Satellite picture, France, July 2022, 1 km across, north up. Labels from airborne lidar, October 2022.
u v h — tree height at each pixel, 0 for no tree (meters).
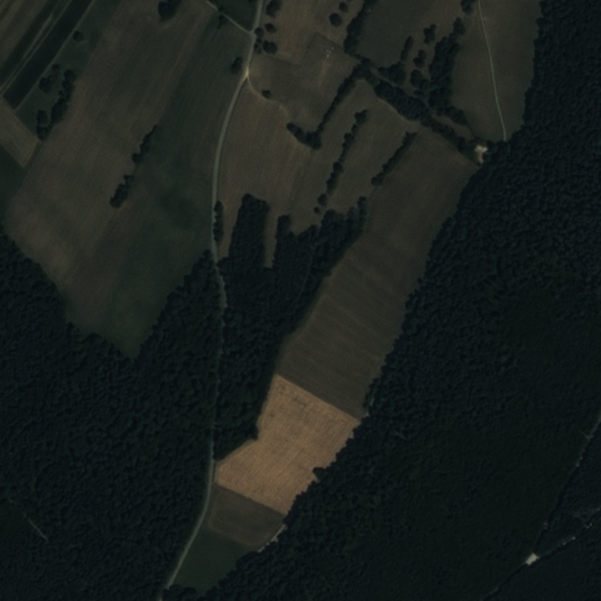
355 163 0
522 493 11
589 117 28
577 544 14
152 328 0
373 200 0
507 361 9
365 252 0
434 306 25
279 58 0
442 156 0
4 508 19
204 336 21
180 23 0
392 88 28
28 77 0
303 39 0
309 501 22
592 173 35
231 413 28
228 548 0
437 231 0
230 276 21
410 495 6
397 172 0
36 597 26
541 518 12
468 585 10
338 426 0
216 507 0
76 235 0
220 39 0
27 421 27
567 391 12
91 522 27
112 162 0
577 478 18
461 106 0
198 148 0
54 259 0
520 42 0
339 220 17
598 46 27
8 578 29
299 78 0
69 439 22
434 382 24
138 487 22
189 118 0
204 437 27
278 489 0
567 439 13
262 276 20
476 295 27
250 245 18
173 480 22
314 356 0
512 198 30
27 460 19
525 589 15
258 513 0
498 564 10
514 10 0
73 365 22
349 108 0
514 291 6
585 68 25
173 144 0
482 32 0
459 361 28
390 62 0
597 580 18
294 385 0
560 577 14
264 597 18
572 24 25
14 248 20
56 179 0
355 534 10
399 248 0
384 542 8
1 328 21
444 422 16
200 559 0
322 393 0
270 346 14
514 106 0
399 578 11
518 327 9
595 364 9
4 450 26
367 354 0
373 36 0
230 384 27
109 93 0
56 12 0
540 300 10
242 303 16
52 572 29
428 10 0
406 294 0
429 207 0
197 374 30
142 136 0
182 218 0
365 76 15
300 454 0
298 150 0
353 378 0
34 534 13
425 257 0
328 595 6
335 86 0
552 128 27
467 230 24
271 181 0
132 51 0
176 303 27
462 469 7
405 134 0
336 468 19
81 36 14
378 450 10
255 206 22
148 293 0
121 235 0
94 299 0
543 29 27
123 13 0
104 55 0
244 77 0
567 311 6
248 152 0
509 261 29
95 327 0
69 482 25
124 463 29
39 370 32
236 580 24
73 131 0
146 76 0
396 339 0
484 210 29
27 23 0
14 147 0
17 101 0
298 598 10
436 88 9
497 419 16
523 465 11
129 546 29
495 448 10
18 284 28
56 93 0
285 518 0
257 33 11
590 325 9
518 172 24
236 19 7
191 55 0
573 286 7
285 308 21
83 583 20
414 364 31
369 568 9
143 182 0
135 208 0
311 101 0
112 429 32
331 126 0
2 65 0
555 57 25
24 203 0
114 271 0
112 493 19
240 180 0
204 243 0
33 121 0
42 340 28
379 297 0
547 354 11
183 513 27
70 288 0
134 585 24
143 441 30
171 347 24
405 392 24
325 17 0
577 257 8
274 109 0
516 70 0
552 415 8
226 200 0
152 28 0
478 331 29
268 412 0
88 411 29
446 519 10
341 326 0
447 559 9
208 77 0
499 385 20
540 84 22
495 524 10
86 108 0
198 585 0
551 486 13
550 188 32
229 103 0
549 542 15
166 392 28
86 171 0
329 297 0
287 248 18
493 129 0
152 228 0
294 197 0
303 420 0
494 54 0
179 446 30
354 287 0
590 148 29
